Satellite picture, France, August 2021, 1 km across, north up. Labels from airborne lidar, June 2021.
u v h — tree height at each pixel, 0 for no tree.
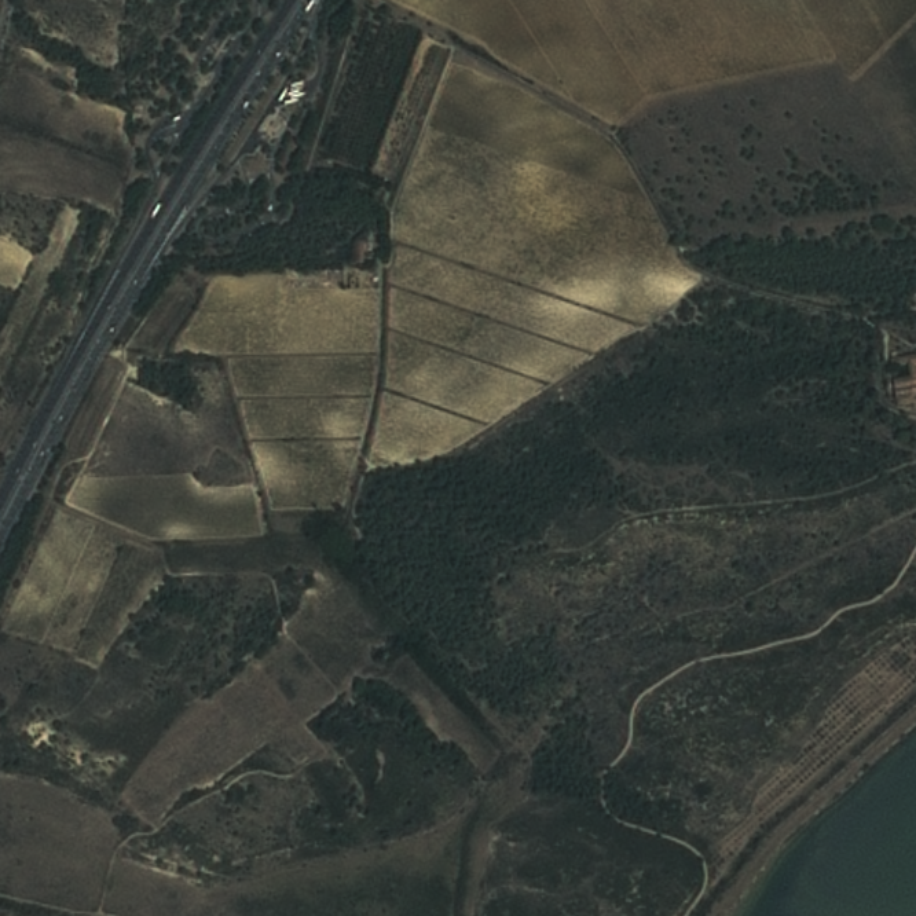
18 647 0
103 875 0
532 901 0
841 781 0
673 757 0
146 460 0
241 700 0
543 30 0
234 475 0
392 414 0
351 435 0
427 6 0
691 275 0
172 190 0
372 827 0
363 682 10
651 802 7
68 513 0
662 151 0
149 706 0
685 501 0
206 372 0
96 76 9
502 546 8
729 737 0
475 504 7
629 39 0
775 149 0
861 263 13
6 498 0
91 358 0
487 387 0
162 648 0
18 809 0
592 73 0
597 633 9
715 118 0
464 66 0
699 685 0
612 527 0
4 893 0
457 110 0
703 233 0
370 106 7
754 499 0
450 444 0
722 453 0
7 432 0
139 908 0
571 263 0
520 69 0
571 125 0
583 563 0
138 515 0
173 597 10
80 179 0
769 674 0
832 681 0
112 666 0
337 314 0
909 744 0
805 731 0
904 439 12
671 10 0
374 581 8
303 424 0
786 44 0
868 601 0
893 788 0
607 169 0
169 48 13
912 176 0
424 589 10
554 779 7
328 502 0
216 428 0
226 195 13
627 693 0
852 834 0
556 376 0
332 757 0
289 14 0
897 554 0
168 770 0
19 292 6
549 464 7
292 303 0
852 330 8
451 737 0
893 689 0
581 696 6
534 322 0
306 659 0
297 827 7
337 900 0
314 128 16
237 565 0
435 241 0
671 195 6
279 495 0
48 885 0
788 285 9
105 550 0
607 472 6
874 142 0
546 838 0
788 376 6
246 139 0
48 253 0
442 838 0
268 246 13
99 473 0
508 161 0
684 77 0
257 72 0
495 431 0
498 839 0
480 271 0
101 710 0
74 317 0
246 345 0
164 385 8
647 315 0
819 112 0
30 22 8
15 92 0
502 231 0
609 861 0
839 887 0
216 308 0
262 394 0
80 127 0
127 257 0
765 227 0
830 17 0
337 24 14
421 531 12
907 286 11
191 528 0
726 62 0
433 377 0
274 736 0
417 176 0
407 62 9
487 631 7
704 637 0
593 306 0
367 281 0
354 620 0
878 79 0
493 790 0
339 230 10
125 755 0
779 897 0
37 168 0
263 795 0
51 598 0
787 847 0
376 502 11
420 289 0
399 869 0
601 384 9
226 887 0
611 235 0
